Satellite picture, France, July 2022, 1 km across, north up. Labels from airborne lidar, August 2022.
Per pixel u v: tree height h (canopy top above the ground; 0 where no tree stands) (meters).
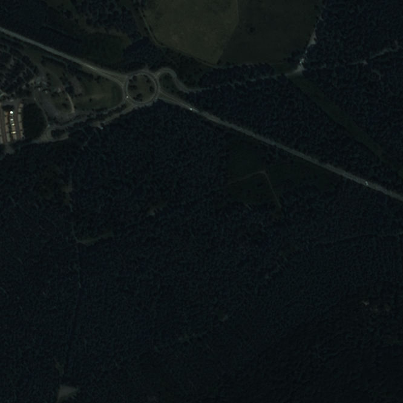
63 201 9
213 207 21
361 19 26
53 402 14
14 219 20
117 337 19
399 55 14
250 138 9
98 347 19
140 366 16
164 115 26
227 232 29
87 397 14
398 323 20
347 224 25
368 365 18
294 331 21
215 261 27
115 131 26
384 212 24
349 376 13
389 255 18
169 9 0
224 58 0
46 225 20
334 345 21
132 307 26
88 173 29
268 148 6
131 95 0
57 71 0
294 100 28
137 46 29
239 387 20
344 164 12
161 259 21
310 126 33
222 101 18
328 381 20
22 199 20
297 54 17
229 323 9
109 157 32
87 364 22
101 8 18
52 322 25
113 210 14
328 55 21
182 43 0
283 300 23
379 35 24
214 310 24
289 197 28
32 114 10
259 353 14
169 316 22
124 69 7
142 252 21
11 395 23
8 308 21
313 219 27
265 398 19
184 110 6
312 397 20
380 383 11
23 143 14
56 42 18
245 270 28
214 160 26
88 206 31
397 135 26
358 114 25
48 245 15
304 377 20
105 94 0
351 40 29
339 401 13
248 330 20
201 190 26
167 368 12
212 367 16
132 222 9
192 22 0
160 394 19
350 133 6
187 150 24
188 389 17
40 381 23
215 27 0
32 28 20
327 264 22
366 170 29
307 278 17
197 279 30
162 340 31
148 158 7
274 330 17
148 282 21
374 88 11
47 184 6
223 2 0
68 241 17
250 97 25
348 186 24
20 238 20
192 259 26
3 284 20
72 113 0
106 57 0
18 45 10
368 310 16
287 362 18
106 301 22
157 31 0
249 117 27
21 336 18
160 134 5
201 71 9
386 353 25
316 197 34
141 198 32
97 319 24
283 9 0
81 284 8
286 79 28
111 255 25
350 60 23
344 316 19
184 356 14
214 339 19
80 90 0
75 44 17
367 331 19
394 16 26
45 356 17
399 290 20
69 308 24
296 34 0
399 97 21
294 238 27
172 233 31
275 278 23
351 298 16
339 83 28
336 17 27
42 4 26
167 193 25
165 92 0
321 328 20
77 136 13
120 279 17
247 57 0
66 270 19
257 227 10
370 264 20
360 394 17
